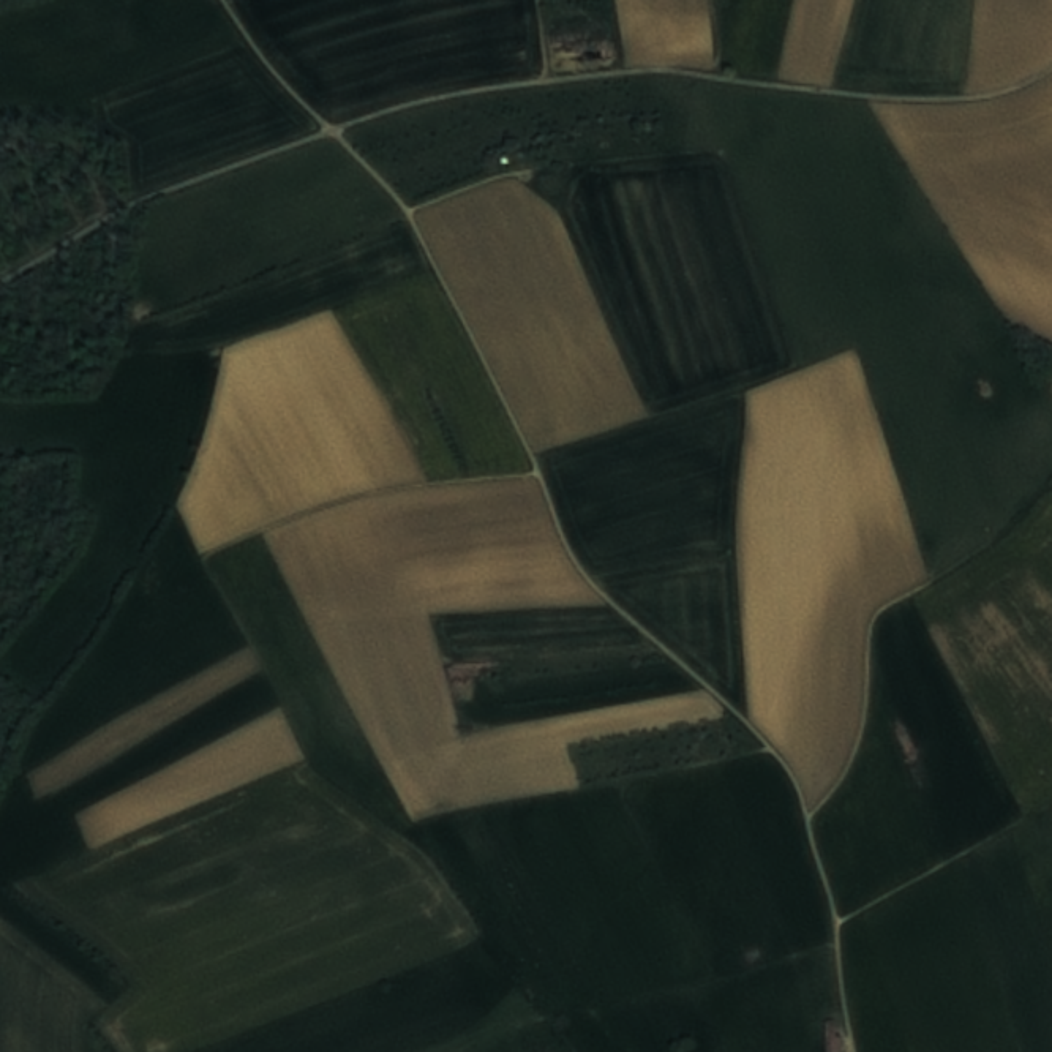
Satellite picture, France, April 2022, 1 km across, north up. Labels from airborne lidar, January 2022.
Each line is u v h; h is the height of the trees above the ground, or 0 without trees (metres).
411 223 0
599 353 0
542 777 0
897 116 0
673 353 0
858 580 0
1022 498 0
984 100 0
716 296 0
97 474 0
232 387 0
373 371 0
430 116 0
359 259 0
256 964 0
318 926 0
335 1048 0
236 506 0
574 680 0
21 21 0
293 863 0
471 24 0
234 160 0
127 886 0
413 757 0
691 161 0
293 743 0
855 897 0
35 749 0
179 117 0
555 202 0
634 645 0
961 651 0
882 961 0
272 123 0
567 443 0
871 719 0
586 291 0
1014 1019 0
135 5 0
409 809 0
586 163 0
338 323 0
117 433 0
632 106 7
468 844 0
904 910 0
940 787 0
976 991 0
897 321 0
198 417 0
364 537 0
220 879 0
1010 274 0
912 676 0
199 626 0
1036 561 0
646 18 0
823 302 0
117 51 0
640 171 0
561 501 0
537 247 0
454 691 0
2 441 0
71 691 0
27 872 0
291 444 0
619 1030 0
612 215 0
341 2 0
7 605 10
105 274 11
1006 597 0
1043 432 0
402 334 0
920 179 0
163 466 0
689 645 0
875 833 0
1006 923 0
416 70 0
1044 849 0
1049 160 0
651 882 0
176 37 0
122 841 0
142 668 0
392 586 0
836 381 0
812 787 0
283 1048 0
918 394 0
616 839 0
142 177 0
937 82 0
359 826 0
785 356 0
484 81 0
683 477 0
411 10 0
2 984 0
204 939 0
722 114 0
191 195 0
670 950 0
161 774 0
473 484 0
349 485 0
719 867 0
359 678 0
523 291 0
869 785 0
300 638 0
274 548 0
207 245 0
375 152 6
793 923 0
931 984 0
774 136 0
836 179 0
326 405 0
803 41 0
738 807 0
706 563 0
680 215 0
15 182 27
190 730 0
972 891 0
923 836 0
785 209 0
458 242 0
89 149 7
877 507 0
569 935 0
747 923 0
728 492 0
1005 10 0
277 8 0
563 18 0
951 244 0
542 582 0
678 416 0
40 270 10
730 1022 0
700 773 0
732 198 0
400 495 0
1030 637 0
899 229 0
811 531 0
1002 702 0
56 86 0
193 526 0
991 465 0
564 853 0
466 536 0
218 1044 0
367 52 0
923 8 0
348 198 0
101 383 22
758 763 0
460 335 0
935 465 0
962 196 0
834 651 0
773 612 0
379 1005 0
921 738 0
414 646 0
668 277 0
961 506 0
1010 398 0
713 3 0
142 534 0
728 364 0
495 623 0
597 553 0
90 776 0
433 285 0
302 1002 0
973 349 0
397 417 0
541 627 0
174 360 0
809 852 0
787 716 0
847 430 0
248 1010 0
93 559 0
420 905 0
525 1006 0
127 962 0
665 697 0
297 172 0
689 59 0
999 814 0
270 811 0
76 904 0
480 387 0
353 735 0
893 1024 0
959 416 0
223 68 0
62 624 0
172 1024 0
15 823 0
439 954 0
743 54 0
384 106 0
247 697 0
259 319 0
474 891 0
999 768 0
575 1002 0
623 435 0
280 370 0
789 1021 0
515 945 0
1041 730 0
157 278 0
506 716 0
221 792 0
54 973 0
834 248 0
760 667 0
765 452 0
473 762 0
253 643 0
